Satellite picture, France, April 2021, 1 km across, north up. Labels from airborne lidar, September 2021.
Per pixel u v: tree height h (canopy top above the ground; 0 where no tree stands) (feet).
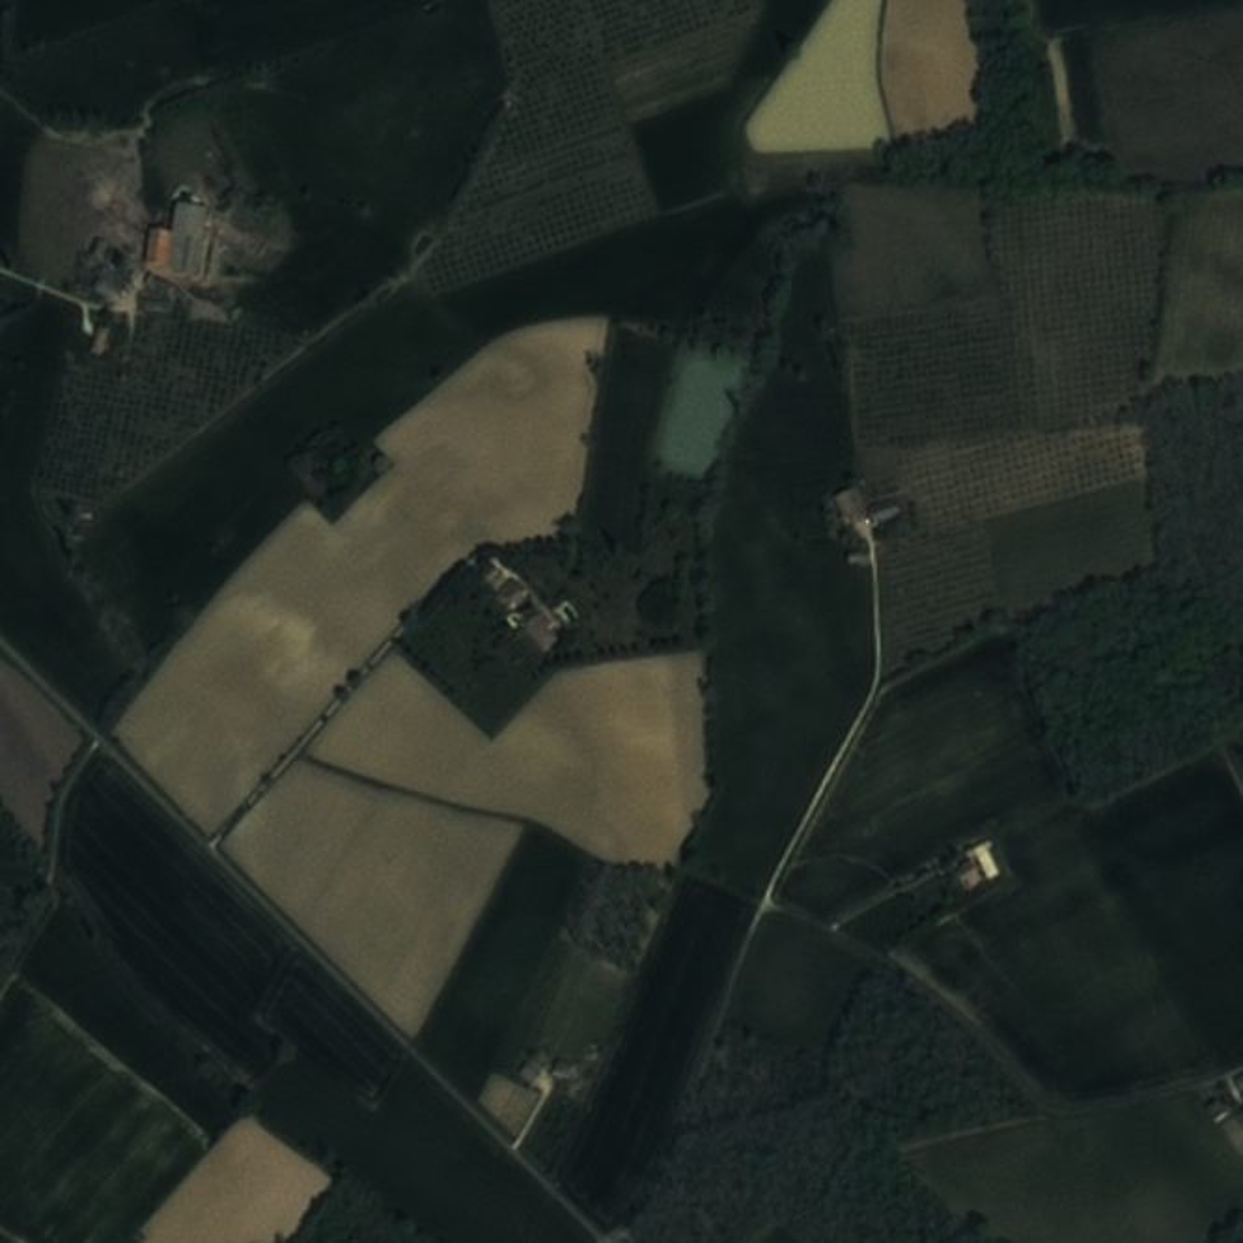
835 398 0
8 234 0
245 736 0
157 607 0
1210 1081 0
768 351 56
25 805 0
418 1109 0
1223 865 0
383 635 0
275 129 0
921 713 0
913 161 72
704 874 25
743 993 0
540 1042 0
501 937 0
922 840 0
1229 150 0
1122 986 0
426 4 0
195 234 0
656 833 0
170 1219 0
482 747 0
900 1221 62
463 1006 0
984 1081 45
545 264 0
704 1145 55
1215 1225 0
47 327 0
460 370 0
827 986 0
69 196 0
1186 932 0
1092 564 0
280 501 0
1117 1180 0
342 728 0
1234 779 0
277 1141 0
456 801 0
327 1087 0
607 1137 0
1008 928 0
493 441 0
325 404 0
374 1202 36
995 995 0
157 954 0
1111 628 66
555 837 0
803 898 0
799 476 0
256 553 0
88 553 0
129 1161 0
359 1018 0
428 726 0
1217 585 59
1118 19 0
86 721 0
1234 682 36
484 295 0
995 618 42
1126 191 48
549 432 0
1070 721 77
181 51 0
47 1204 0
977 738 0
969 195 0
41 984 0
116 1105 0
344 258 0
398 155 0
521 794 0
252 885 0
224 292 0
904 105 0
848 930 19
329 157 0
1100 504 0
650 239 0
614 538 0
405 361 0
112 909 0
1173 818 0
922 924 20
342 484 24
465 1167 0
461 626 0
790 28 0
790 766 0
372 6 0
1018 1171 0
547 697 0
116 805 0
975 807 0
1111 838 0
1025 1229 0
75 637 0
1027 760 0
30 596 0
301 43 0
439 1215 0
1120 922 0
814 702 0
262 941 0
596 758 0
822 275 0
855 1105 73
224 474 0
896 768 0
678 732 0
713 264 0
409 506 0
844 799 0
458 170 0
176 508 0
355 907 0
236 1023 0
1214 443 48
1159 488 53
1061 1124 0
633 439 0
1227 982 0
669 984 0
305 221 0
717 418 0
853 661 0
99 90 0
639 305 0
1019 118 67
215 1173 0
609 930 59
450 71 0
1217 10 0
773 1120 50
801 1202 55
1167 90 0
